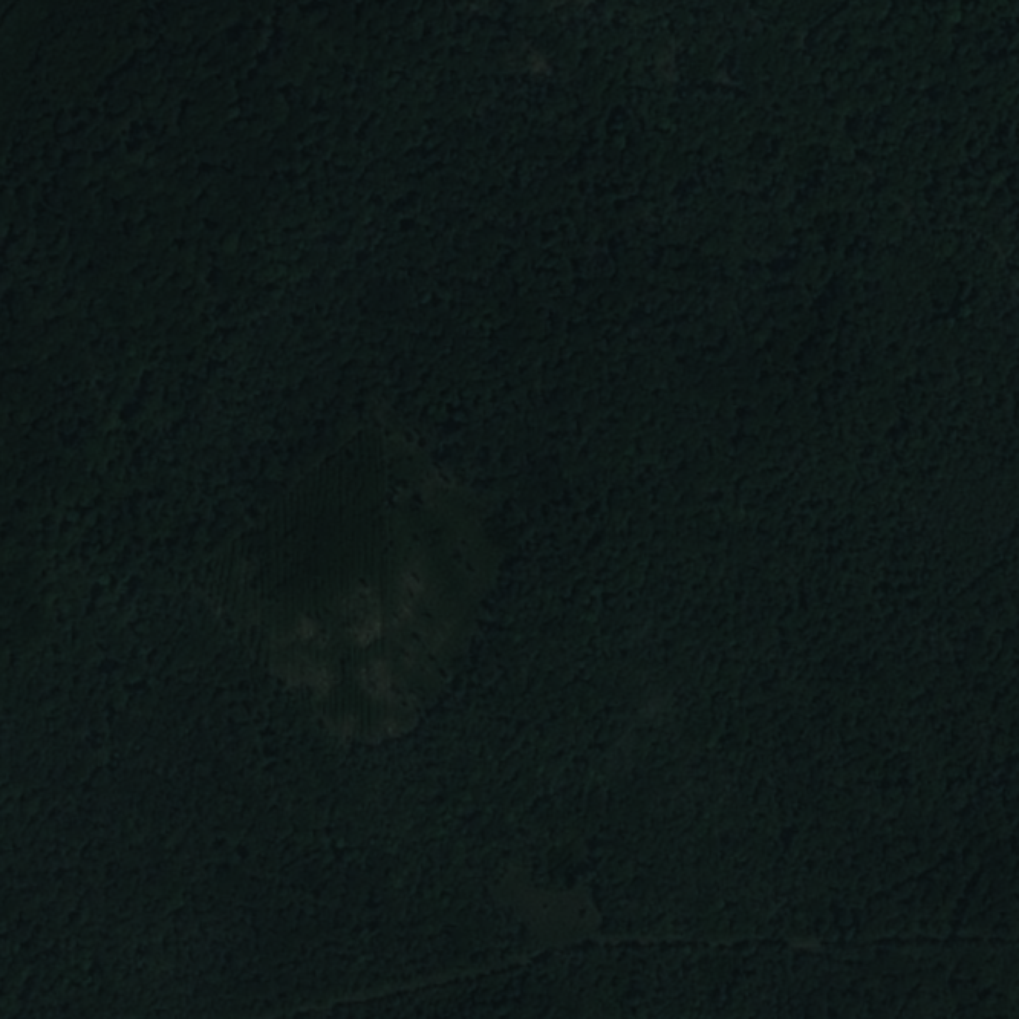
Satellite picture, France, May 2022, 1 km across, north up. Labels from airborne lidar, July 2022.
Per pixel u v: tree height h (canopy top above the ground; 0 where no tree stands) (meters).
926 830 23
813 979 20
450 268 19
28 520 21
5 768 23
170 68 29
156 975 17
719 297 13
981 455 10
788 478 18
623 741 19
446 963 17
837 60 27
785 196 21
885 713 16
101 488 22
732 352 22
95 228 29
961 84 23
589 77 23
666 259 24
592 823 22
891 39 22
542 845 20
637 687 17
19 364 23
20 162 23
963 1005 20
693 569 13
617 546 18
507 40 27
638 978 19
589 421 18
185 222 30
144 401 25
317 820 18
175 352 24
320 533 7
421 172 19
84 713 21
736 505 19
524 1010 21
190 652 21
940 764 15
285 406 21
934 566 17
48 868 18
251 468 25
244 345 18
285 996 20
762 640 18
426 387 21
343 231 20
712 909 20
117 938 20
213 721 19
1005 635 20
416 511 9
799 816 19
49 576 23
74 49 25
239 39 30
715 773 16
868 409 20
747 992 15
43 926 16
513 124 24
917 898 18
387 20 26
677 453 24
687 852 18
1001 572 17
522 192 22
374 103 23
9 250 30
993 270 19
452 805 23
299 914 21
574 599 22
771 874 18
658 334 25
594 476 16
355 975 17
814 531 13
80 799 19
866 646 17
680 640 20
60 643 20
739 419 12
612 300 23
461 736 18
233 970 17
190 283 19
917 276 21
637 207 21
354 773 15
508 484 25
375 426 20
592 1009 18
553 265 21
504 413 20
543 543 18
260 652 6
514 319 15
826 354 12
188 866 15
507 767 24
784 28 19
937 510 10
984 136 19
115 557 13
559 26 23
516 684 19
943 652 18
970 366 18
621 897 15
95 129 22
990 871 23
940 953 22
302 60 27
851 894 19
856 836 21
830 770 18
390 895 18
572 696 21
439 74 23
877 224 19
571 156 13
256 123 29
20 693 20
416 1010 6
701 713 19
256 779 17
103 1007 14
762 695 19
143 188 29
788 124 18
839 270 20
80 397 26
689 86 17
